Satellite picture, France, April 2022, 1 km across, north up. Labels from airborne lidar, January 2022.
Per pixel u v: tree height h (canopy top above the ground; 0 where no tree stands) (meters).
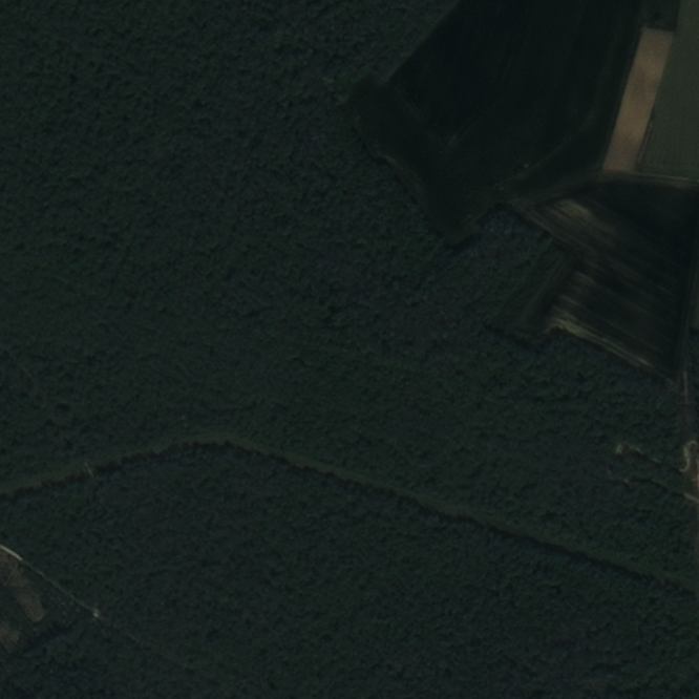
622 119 0
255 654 21
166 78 25
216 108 24
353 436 25
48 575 17
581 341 9
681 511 16
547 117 0
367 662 24
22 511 20
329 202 23
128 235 21
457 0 15
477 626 25
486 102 0
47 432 15
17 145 23
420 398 14
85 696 22
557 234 0
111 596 20
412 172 0
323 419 21
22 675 24
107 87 21
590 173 0
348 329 22
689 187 0
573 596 22
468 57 0
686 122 0
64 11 24
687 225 0
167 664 24
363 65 16
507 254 22
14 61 22
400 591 24
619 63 0
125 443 17
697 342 21
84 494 19
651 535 23
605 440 23
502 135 0
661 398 24
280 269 26
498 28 0
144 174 25
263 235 22
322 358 14
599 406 25
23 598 0
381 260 25
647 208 0
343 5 23
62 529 21
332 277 25
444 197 0
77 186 27
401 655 22
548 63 0
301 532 19
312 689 21
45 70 21
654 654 24
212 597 19
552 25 0
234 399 23
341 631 26
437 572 25
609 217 0
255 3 24
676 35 0
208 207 24
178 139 18
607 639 26
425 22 18
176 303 19
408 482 15
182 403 26
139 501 25
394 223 22
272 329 24
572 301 0
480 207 0
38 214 25
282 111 25
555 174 0
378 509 22
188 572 27
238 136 23
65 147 23
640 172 0
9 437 23
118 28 25
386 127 0
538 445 22
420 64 0
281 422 20
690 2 0
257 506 24
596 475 24
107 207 27
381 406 17
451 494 19
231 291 21
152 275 20
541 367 26
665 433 23
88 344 25
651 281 0
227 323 23
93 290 18
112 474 20
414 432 19
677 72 0
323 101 27
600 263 0
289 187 24
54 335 23
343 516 21
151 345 22
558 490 17
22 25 25
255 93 22
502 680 27
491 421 23
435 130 0
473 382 22
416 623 22
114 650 24
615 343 0
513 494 25
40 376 24
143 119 26
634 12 0
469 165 0
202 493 23
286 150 22
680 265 0
